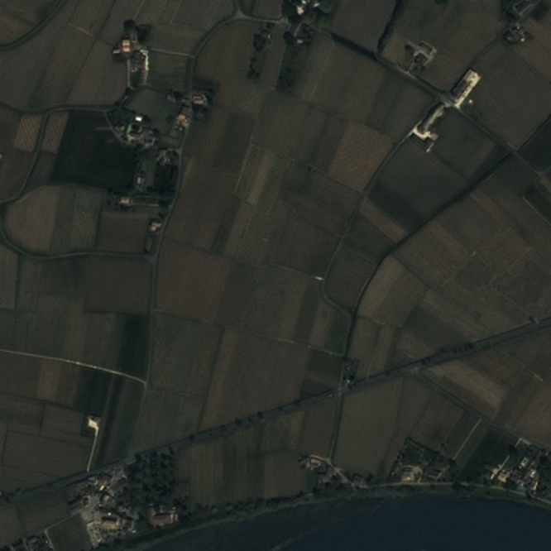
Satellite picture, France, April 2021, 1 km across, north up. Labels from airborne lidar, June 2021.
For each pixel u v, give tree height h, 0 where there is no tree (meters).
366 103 0
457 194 0
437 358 0
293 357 0
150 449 0
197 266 0
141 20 0
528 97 0
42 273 0
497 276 0
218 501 0
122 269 0
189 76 0
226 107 0
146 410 0
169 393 0
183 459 0
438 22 0
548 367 0
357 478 0
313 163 0
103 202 0
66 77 0
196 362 0
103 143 0
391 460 0
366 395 0
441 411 0
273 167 0
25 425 0
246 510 11
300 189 0
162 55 0
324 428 0
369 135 0
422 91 0
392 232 0
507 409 0
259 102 0
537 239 0
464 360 0
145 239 0
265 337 0
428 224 0
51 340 0
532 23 0
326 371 0
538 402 0
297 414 0
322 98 0
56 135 0
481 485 12
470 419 0
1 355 0
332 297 0
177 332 0
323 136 0
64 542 0
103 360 0
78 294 0
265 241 0
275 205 0
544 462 14
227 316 0
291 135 0
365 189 0
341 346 0
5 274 0
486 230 0
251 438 0
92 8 0
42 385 0
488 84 0
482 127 0
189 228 0
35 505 0
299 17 18
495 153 0
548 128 0
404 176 0
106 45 0
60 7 0
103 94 0
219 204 0
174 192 15
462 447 0
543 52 0
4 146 0
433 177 0
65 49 0
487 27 0
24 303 0
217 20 0
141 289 0
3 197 0
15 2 0
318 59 0
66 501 0
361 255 0
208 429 0
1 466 0
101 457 0
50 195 0
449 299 0
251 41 0
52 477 0
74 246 0
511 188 0
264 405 0
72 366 0
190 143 0
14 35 0
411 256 0
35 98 0
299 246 0
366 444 0
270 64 0
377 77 0
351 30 0
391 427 0
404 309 0
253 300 0
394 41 0
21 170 0
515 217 0
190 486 0
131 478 8
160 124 0
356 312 0
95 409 0
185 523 25
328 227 0
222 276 0
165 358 0
